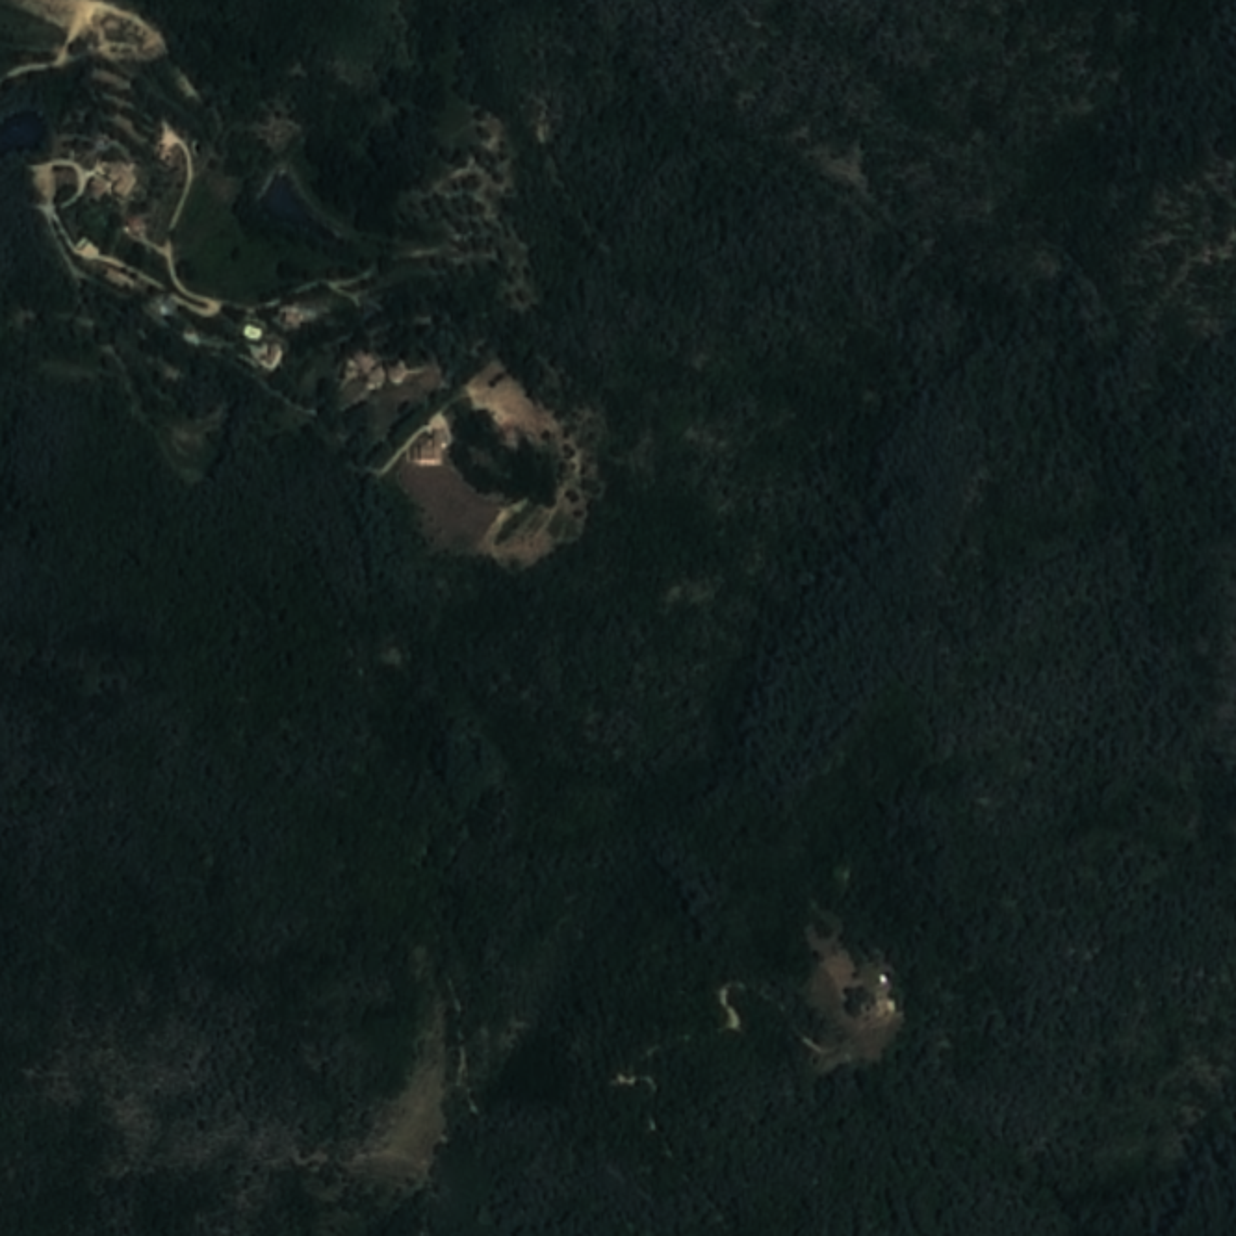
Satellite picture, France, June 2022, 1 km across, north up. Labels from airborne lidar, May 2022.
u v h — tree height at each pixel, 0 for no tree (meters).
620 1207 8
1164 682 28
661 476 8
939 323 24
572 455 6
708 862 7
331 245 10
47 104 12
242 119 10
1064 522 8
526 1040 14
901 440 23
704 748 22
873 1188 12
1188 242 7
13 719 19
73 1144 14
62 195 10
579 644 18
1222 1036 14
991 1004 19
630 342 7
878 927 14
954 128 6
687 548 13
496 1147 12
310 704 10
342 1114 11
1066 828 13
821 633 13
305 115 9
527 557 0
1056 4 16
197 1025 11
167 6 12
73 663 13
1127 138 7
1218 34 10
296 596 13
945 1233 8
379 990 14
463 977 10
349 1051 10
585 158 15
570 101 14
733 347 6
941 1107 18
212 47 9
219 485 19
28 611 22
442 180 0
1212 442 16
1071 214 11
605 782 15
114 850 22
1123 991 12
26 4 0
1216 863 15
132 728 24
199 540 21
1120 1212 10
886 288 15
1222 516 7
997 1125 17
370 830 20
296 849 14
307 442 11
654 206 14
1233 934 6
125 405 11
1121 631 20
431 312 12
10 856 17
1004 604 17
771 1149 16
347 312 6
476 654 10
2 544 18
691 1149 19
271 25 11
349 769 20
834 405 14
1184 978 11
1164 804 7
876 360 11
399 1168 0
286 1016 10
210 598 15
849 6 19
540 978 8
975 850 16
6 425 15
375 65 11
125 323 15
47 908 14
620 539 12
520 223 13
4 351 16
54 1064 8
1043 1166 19
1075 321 8
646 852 14
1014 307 19
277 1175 7
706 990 12
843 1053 0
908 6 17
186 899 21
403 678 6
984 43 6
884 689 17
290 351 7
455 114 0
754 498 6
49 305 13
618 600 12
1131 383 24
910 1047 7
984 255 7
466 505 0
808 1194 17
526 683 10
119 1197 19
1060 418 22
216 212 0
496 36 11
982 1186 19
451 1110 9
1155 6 21
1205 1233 16
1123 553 29
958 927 12
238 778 13
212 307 0
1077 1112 9
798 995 14
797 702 12
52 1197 14
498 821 15
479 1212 10
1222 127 8
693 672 10
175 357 17
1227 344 13
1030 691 18
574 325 11
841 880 13
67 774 16
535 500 7
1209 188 8
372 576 19
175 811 21
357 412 20
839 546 8
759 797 14
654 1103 12
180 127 14
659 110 22
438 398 14
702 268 19
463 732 21
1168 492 14
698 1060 11
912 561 14
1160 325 7
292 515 20
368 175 22
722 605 12
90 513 20
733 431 8
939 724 17
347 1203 9
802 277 14
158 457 15
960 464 17
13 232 19
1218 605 7
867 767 11
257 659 12
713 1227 17
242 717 13
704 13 19
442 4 9
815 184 8
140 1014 10
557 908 18
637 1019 10
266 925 14
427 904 14
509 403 0
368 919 16
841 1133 16
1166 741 24
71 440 23
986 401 20
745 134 11
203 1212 8
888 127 8
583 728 14
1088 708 14
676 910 8
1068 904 16
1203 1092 8
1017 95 10
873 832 15
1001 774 8
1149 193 7
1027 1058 13
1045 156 10
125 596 18
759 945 6
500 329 11
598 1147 16
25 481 25
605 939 7
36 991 17
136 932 20
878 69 12
